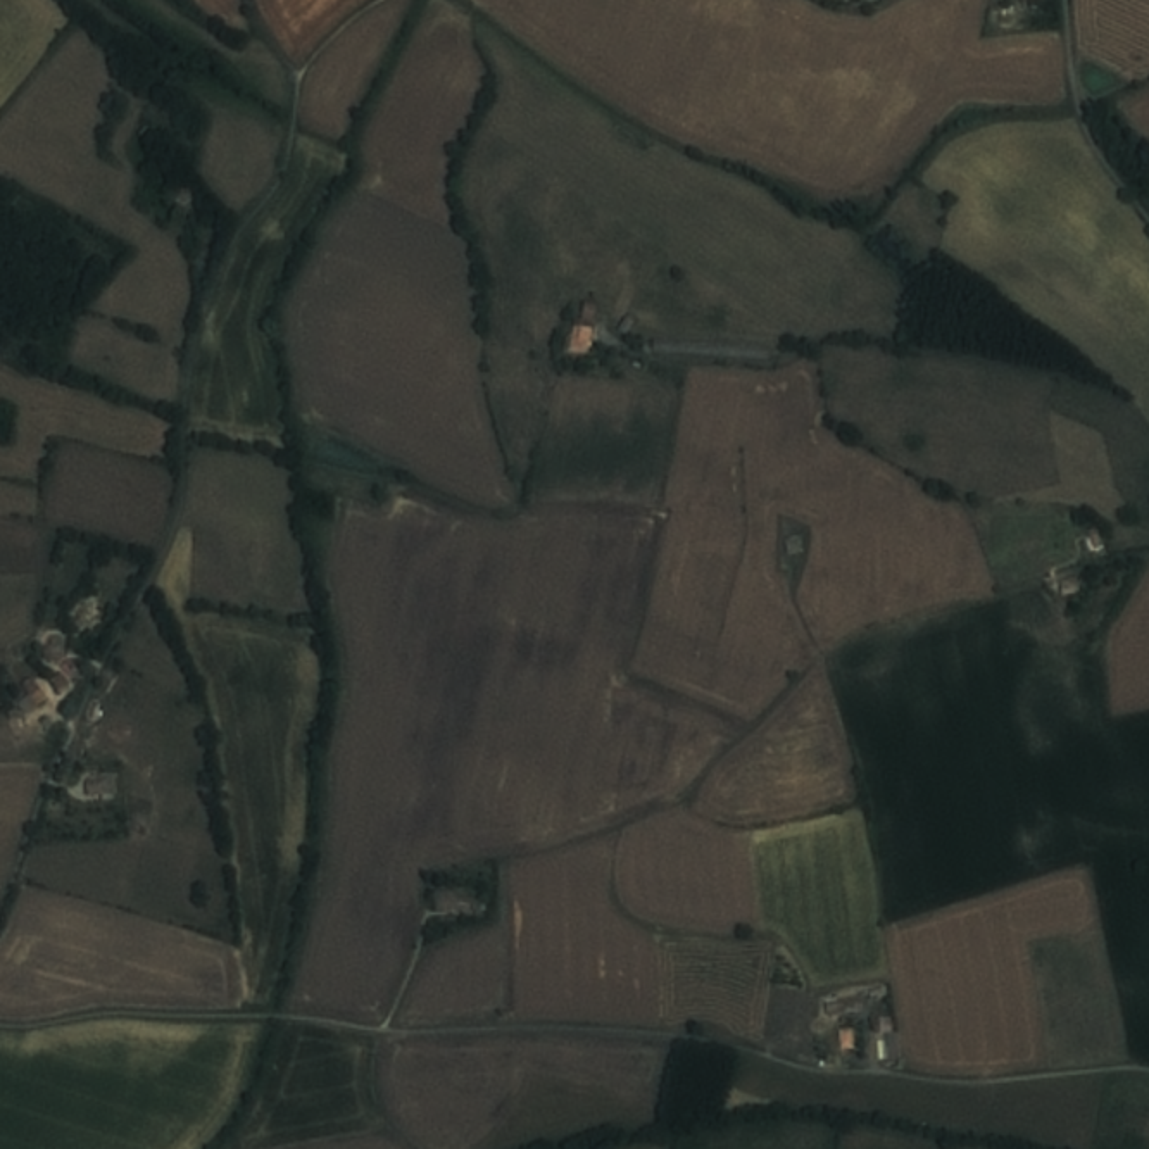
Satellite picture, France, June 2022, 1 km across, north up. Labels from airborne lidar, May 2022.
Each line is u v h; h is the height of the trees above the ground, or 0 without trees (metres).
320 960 0
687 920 0
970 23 0
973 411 0
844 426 11
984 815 0
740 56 0
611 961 0
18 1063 0
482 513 0
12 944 0
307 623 15
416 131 0
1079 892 0
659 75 0
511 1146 0
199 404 0
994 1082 0
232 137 0
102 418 0
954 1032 0
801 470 0
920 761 0
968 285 21
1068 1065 0
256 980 0
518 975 0
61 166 0
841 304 0
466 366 0
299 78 0
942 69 0
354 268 0
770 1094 0
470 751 0
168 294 0
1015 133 0
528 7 0
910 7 0
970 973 0
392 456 0
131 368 0
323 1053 0
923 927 0
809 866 0
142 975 0
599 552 0
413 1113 0
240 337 0
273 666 0
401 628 0
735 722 0
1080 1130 0
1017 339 24
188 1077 0
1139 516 7
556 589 0
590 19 0
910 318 20
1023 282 0
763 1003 0
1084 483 0
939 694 0
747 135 0
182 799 0
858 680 0
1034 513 0
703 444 0
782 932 0
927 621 0
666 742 0
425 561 0
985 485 0
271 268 0
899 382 0
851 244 0
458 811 0
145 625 0
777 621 0
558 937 0
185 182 15
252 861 0
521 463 0
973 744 0
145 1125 0
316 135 0
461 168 10
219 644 0
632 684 0
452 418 0
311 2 0
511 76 0
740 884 0
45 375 15
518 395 0
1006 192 0
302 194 0
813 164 0
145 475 0
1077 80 0
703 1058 15
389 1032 0
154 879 0
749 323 0
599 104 0
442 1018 0
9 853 0
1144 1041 0
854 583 0
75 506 0
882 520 0
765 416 0
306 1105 0
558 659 0
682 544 0
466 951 0
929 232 0
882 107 0
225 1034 0
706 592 0
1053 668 0
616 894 0
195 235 7
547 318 0
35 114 0
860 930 0
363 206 0
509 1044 0
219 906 0
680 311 0
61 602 12
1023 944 0
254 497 0
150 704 0
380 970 0
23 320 21
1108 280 0
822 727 0
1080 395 0
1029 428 0
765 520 0
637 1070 0
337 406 0
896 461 0
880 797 0
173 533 0
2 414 7
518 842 0
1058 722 0
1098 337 0
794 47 0
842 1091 0
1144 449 0
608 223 0
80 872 0
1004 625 0
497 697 0
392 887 0
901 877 0
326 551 0
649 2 0
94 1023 0
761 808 0
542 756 0
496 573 0
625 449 0
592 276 0
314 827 10
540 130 0
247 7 13
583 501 0
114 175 0
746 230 0
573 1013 0
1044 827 0
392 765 0
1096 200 0
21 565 0
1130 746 0
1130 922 0
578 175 0
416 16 0
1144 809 0
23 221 19
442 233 0
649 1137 14
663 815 0
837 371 0
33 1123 0
